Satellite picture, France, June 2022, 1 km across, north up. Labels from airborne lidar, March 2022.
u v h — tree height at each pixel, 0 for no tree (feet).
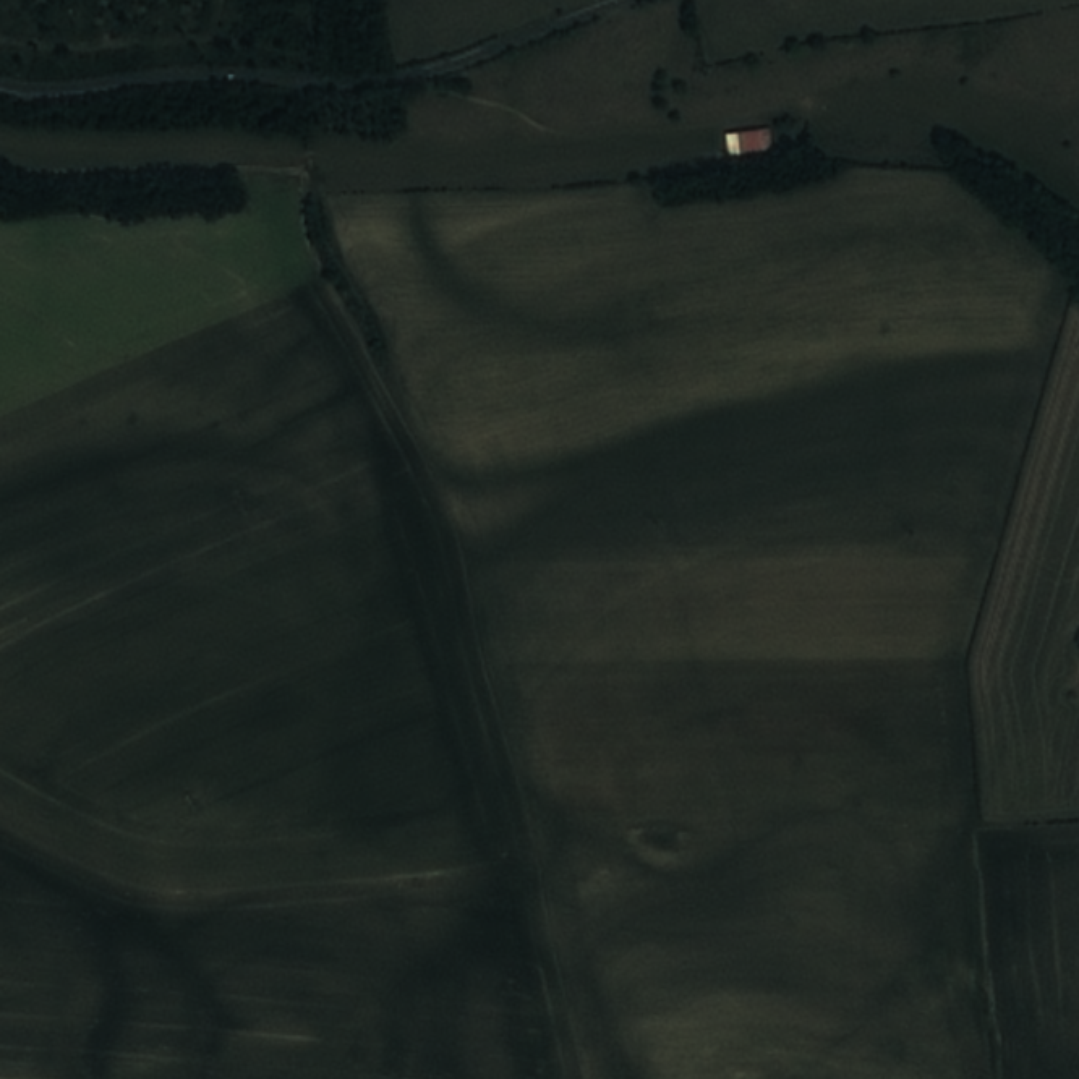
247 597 0
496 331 0
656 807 0
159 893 0
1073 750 0
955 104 0
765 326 0
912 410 0
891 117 0
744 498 0
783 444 0
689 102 0
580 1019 0
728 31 0
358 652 0
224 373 0
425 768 0
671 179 54
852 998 0
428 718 0
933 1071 0
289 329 0
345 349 0
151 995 0
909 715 0
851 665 0
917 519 0
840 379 0
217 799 0
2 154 0
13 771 0
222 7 0
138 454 0
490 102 0
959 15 0
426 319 0
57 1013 0
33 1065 0
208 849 0
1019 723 0
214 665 0
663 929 0
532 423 0
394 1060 0
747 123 0
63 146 0
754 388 0
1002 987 0
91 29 0
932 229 0
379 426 0
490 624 0
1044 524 0
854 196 0
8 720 0
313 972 0
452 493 0
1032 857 0
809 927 0
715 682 0
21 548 0
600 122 0
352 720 0
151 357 0
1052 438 0
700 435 0
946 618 0
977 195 46
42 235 0
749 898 0
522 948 0
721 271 0
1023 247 0
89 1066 0
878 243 0
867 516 0
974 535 0
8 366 0
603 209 0
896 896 0
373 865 0
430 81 31
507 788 0
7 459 0
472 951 0
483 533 0
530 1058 0
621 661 0
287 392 0
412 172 0
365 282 0
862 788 0
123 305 0
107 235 0
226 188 53
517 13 0
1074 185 0
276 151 0
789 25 0
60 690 0
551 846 0
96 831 0
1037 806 0
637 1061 0
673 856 0
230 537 0
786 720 0
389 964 0
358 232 0
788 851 0
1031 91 0
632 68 0
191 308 0
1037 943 0
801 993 0
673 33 0
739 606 0
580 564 0
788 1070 0
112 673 0
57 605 0
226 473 0
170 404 0
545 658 0
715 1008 0
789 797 0
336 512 0
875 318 0
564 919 0
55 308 0
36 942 0
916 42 0
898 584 0
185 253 0
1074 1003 0
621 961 0
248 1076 0
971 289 0
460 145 0
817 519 0
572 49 0
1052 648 0
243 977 0
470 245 0
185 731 0
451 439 0
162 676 0
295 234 0
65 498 0
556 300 0
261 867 0
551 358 0
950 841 0
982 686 0
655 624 0
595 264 0
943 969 0
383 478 0
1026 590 0
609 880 0
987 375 0
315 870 0
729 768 0
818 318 0
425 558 0
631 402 0
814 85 0
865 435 0
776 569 0
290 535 0
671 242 0
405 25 0
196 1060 0
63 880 0
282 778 0
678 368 0
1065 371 0
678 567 0
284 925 0
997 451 0
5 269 0
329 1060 0
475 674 0
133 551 0
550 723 0
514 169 0
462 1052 0
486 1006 0
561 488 0
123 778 0
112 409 0
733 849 0
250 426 0
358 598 0
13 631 0
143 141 0
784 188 52
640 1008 0
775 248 0
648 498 0
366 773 0
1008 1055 0
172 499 0
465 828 0
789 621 0
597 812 0
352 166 0
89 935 0
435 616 0
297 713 0
